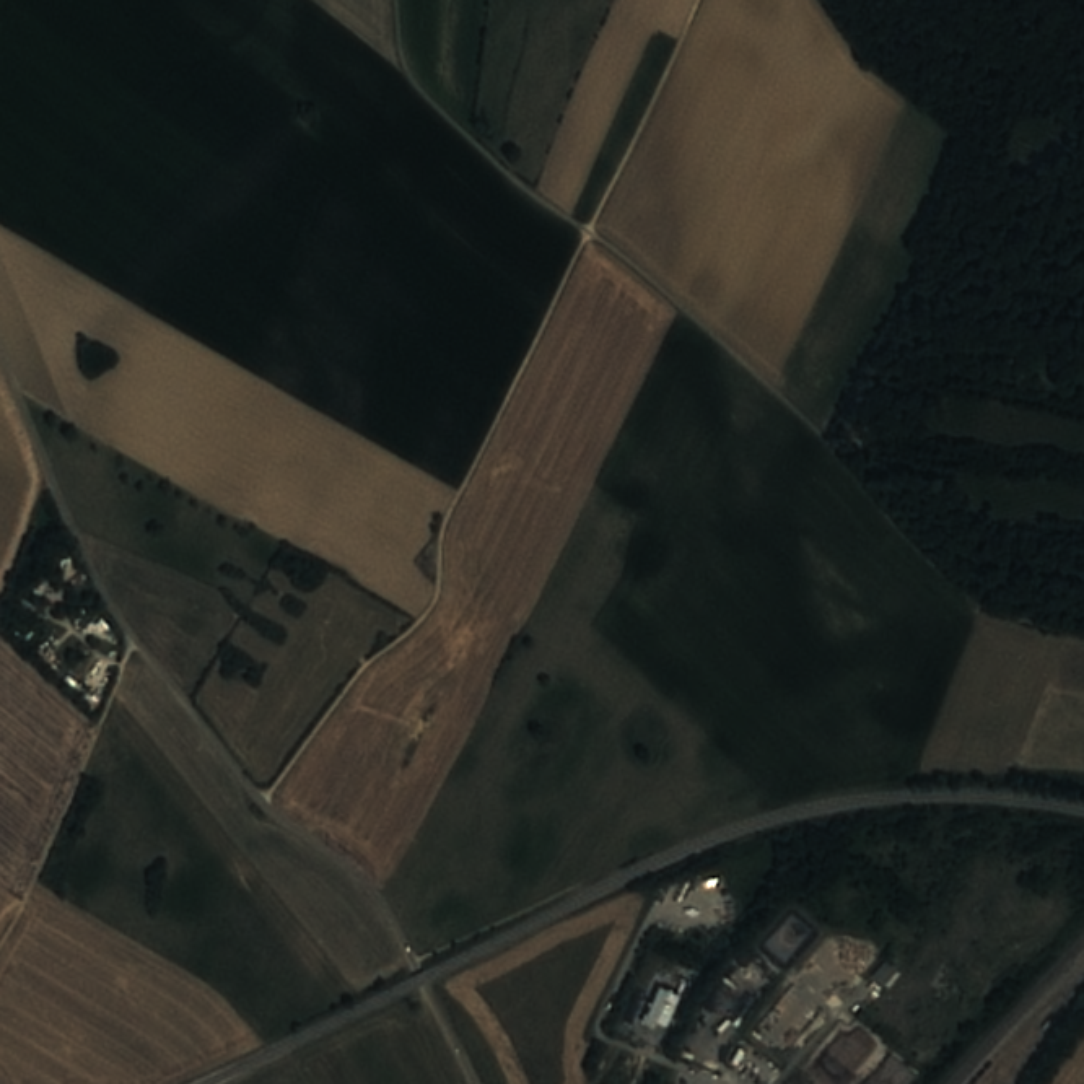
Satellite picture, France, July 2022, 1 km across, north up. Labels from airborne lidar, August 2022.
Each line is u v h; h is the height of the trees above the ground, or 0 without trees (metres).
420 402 0
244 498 0
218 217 0
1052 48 20
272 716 0
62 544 18
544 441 0
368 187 0
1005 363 29
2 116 0
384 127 0
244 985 0
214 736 0
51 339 0
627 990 7
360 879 0
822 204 0
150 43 0
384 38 0
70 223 0
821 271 0
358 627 0
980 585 16
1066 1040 13
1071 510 0
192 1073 0
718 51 0
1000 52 28
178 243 0
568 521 0
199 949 0
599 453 0
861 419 26
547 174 0
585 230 0
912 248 17
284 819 0
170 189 0
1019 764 0
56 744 0
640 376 0
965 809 7
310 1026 0
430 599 0
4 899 0
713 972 15
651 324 0
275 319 0
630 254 0
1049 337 28
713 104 0
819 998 0
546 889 0
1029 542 19
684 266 0
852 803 0
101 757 0
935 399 26
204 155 0
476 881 0
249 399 0
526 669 0
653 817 0
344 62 0
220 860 0
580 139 0
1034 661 0
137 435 0
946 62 24
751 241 0
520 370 0
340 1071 0
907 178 0
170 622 0
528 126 0
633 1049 0
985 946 0
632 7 0
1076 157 22
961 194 21
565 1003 0
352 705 0
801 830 8
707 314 0
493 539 0
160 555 0
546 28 0
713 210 0
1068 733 0
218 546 0
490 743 0
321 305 0
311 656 0
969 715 0
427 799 0
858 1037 0
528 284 0
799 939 0
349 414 0
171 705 0
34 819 0
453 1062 0
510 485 0
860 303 0
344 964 0
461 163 0
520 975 0
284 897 0
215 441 0
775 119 0
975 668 0
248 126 0
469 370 0
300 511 0
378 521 0
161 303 0
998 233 25
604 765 0
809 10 0
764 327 0
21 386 0
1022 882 10
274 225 0
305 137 0
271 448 0
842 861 14
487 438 0
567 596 0
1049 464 15
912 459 9
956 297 24
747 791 0
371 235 0
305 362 0
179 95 0
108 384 0
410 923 0
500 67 0
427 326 0
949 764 0
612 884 0
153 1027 0
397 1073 0
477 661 0
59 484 0
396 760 0
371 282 0
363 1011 0
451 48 0
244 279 0
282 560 7
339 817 0
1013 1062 0
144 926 0
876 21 23
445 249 0
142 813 0
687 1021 8
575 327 0
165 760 0
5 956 0
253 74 0
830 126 0
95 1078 0
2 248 0
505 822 0
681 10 0
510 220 0
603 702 0
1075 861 7
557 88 0
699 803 0
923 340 25
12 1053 0
